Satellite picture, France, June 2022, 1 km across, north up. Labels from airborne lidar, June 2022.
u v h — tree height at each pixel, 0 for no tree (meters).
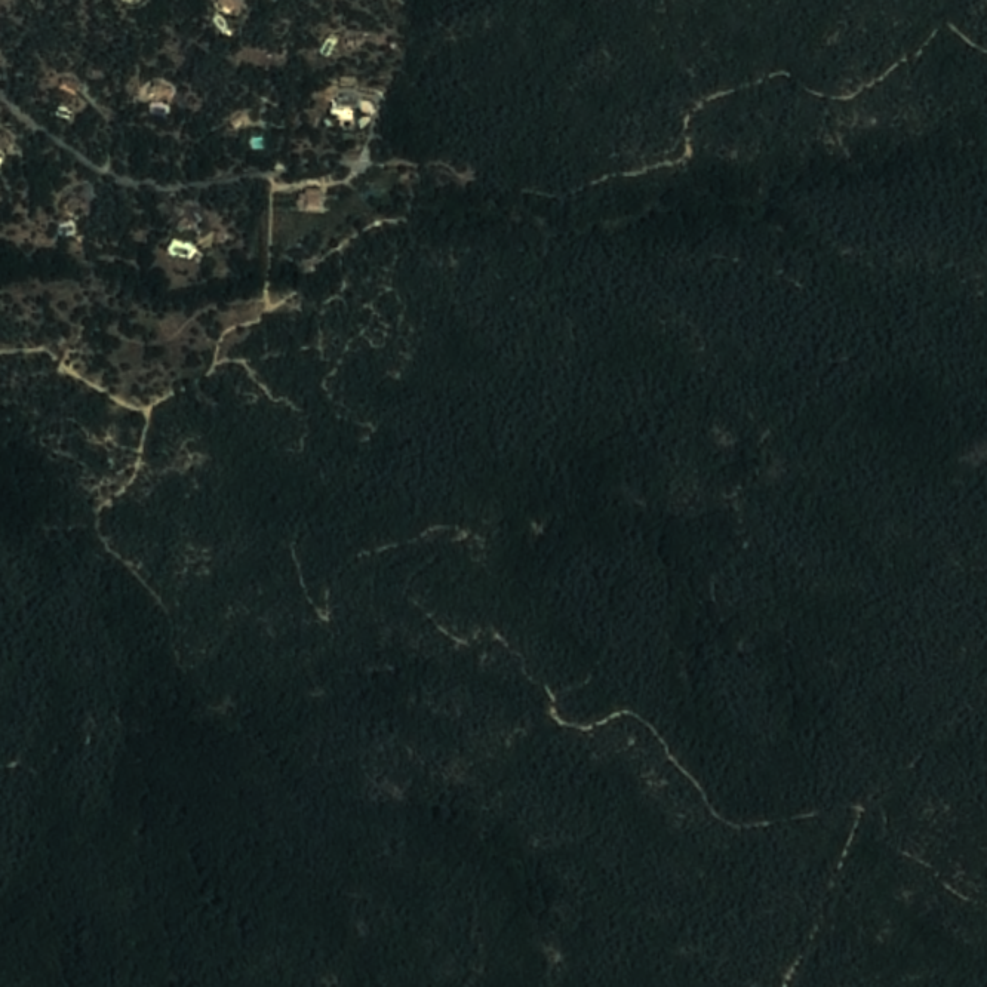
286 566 8
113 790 15
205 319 8
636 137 12
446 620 11
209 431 8
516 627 8
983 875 7
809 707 19
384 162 8
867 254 8
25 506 19
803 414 12
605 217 14
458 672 6
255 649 9
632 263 10
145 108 7
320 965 12
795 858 16
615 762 10
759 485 8
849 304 6
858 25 11
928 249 10
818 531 11
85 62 7
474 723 10
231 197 16
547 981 11
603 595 16
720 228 19
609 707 7
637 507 9
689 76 12
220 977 6
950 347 12
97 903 10
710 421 8
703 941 12
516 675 10
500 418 7
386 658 13
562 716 10
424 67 8
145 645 14
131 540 10
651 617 17
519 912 12
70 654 7
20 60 12
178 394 10
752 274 15
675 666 14
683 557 9
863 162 10
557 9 8
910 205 8
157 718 12
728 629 16
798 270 18
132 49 16
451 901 9
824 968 8
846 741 14
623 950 12
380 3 10
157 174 17
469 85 16
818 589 7
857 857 13
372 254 11
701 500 6
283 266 9
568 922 13
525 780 12
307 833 7
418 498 15
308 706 9
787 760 7
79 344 9
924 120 6
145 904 12
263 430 6
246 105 7
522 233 8
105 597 15
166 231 7
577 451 17
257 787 11
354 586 6
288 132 10
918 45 8
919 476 8
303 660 8
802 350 16
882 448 7
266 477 6
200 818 17
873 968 6
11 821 15
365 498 11
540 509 23
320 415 6
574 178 16
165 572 15
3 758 10
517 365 10
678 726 7
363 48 8
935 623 15
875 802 13
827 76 12
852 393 11
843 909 8
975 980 16
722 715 12
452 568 6
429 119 11
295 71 17
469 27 10
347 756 10
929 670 16
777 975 9
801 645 12
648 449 9
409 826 14
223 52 13
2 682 16
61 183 8
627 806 7
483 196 11
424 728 8
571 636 10
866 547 9
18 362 16
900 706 6
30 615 8
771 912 14
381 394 8
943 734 8
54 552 15
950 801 14
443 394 11
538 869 7
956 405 10
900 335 16
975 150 9
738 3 7
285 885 18
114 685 16
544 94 17
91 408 6
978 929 12
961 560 12
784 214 21
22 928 16
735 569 7
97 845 12
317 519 8
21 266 18
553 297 11
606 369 10
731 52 10
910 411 15
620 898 6
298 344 9
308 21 14
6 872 17
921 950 6
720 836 12
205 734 15
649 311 12
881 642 8
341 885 8
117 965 14
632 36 7
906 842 13
